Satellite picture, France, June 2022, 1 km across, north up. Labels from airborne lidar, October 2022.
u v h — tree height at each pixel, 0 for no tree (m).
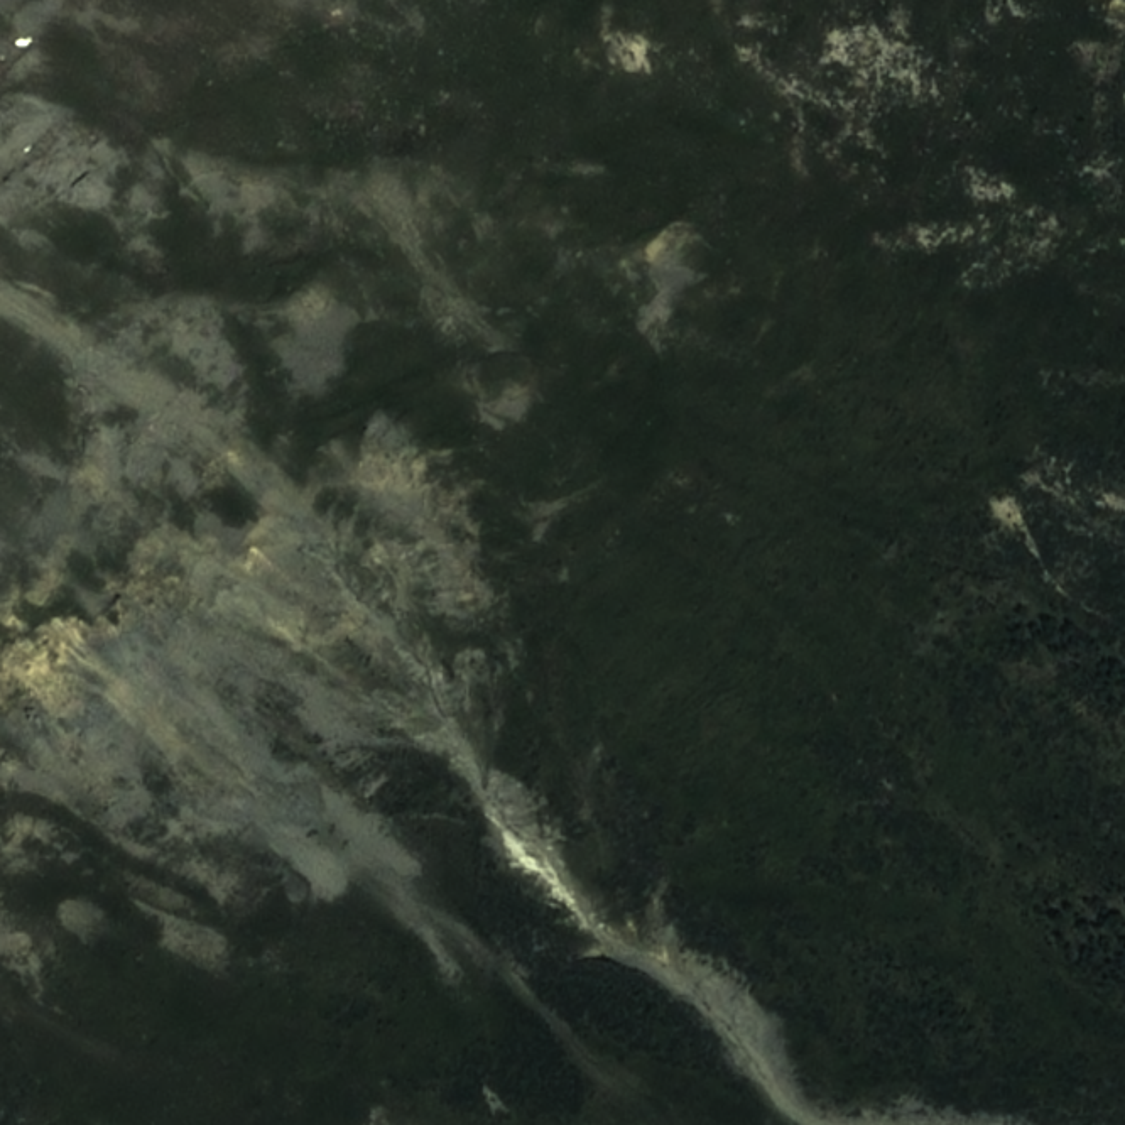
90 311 0
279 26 0
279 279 0
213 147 0
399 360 0
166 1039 0
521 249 0
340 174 0
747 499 0
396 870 0
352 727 0
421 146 0
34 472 0
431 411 0
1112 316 0
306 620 0
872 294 0
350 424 0
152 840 0
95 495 0
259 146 0
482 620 0
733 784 0
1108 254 0
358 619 0
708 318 0
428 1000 0
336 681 0
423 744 0
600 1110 0
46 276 0
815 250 0
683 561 0
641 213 0
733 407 0
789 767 0
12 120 0
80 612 0
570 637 0
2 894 0
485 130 0
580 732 0
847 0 0
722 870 0
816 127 0
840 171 0
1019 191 0
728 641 0
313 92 0
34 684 0
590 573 0
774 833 0
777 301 0
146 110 0
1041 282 0
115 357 0
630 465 0
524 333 0
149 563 0
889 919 0
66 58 0
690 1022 7
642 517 0
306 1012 0
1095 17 0
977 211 0
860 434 0
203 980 0
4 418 0
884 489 0
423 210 0
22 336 0
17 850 0
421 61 0
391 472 0
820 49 0
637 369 0
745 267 0
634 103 0
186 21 0
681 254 0
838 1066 0
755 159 0
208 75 0
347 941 0
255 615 0
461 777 0
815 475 0
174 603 0
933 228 0
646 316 0
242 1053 0
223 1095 0
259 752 0
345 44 0
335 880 0
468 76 0
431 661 0
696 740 0
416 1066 0
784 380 0
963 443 0
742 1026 0
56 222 0
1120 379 0
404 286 0
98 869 0
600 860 0
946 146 0
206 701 0
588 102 0
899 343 0
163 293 0
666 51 0
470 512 0
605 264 0
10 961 0
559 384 0
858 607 0
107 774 0
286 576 0
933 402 0
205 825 0
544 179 0
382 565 0
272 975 0
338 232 0
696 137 0
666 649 0
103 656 0
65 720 0
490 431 0
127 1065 0
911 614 0
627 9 0
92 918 0
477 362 0
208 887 0
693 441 0
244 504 0
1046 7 0
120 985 0
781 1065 0
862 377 0
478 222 0
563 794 0
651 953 0
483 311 0
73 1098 0
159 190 0
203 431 0
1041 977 0
